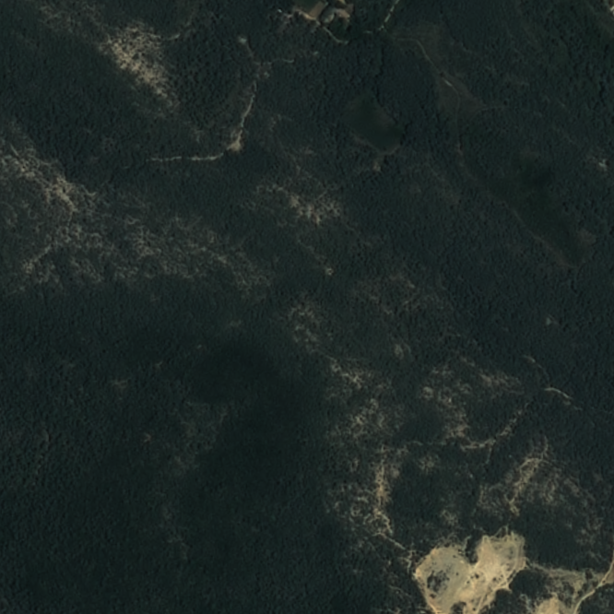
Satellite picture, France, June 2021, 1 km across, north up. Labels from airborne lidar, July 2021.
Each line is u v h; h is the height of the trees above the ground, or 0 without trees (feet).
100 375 21
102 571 24
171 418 18
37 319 23
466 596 0
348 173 29
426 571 0
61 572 25
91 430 33
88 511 32
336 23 39
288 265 18
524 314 25
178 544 25
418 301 35
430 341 26
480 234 20
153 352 22
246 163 22
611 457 36
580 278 32
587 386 34
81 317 20
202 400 20
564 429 26
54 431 21
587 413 30
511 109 22
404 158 19
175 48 21
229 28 32
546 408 18
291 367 22
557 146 27
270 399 26
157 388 19
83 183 17
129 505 19
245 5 37
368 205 31
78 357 32
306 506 24
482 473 21
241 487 23
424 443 22
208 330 22
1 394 24
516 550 0
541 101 56
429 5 31
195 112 42
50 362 35
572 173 28
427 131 45
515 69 40
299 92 26
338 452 30
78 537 24
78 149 51
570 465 20
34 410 18
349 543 34
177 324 29
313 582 29
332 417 19
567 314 33
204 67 22
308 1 0
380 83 44
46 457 43
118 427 24
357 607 37
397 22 27
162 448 22
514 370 26
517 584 20
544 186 26
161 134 20
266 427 28
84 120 29
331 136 29
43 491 23
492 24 34
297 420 20
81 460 38
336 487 54
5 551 35
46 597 28
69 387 33
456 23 36
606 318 24
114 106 21
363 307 29
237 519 19
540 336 19
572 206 45
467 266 27
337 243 23
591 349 35
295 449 24
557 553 19
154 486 18
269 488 27
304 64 26
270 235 19
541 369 28
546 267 22
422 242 33
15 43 21
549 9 52
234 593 34
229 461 24
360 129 0
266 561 23
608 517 26
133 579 26
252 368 25
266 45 34
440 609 0
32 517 48
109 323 23
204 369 25
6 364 23
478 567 0
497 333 40
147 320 22
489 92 28
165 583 23
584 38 43
